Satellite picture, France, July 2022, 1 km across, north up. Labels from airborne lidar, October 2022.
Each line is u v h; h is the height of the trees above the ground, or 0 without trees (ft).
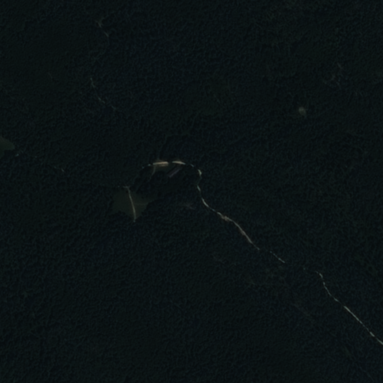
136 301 66
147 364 69
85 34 67
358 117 75
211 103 54
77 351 58
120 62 68
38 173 35
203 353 69
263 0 73
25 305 31
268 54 75
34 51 65
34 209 34
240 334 69
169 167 0
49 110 55
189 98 77
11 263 53
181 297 72
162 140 81
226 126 53
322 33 49
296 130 51
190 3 60
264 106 86
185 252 65
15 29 77
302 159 67
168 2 64
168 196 102
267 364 70
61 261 96
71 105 71
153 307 93
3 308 69
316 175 65
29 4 68
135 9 55
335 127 79
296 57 64
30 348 71
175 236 55
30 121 92
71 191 76
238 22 85
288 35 57
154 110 60
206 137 69
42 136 60
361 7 70
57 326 73
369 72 48
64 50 74
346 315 68
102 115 74
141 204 0
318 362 85
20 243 31
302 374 54
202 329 70
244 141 67
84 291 62
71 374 94
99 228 66
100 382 69
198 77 45
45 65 63
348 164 69
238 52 57
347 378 68
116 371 62
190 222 58
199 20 56
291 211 42
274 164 39
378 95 58
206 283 61
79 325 55
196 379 37
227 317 63
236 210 62
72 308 60
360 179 74
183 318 63
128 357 56
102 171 59
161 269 60
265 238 77
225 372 49
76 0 63
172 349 74
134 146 61
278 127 24
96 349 67
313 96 84
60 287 60
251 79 93
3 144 0
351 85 62
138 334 71
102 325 82
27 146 31
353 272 93
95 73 91
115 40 82
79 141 75
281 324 80
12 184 27
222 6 65
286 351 43
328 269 22
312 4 25
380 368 57
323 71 76
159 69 77
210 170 51
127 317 57
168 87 68
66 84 62
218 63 48
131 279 75
